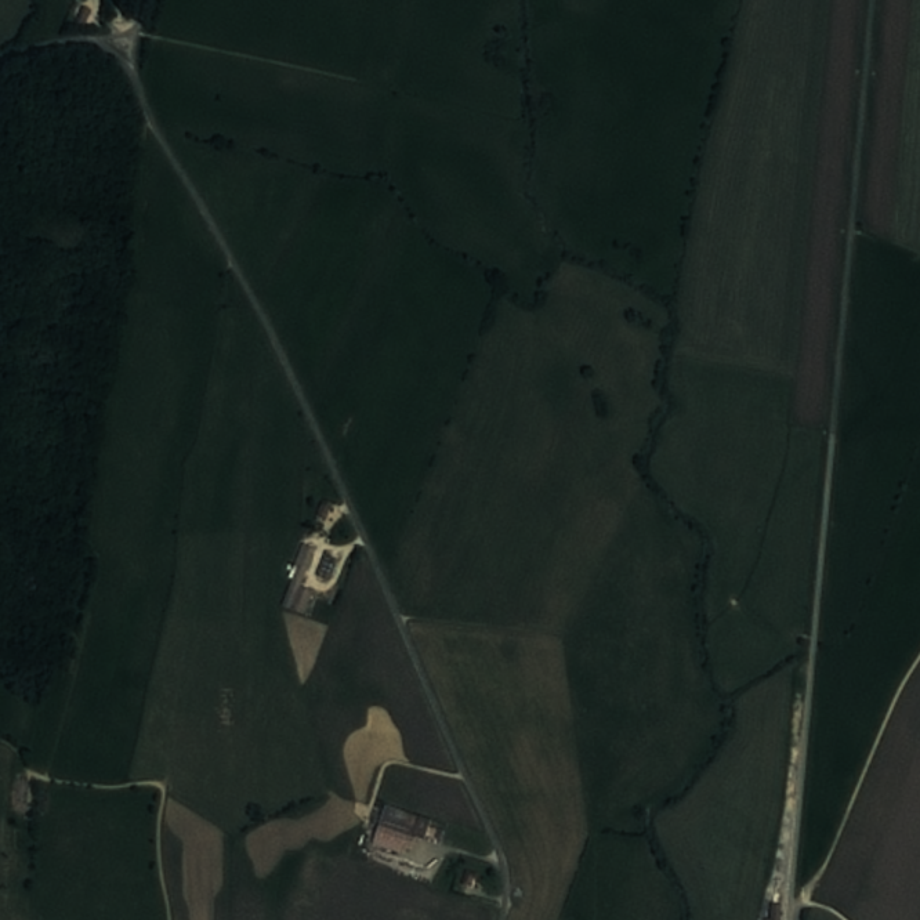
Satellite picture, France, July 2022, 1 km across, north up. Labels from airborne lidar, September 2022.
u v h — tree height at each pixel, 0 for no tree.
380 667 0
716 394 0
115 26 0
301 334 0
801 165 0
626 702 0
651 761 0
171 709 0
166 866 0
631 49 0
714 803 0
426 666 0
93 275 22
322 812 0
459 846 0
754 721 0
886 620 0
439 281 0
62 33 9
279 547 0
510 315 0
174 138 0
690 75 0
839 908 0
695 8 0
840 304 0
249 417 0
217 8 0
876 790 0
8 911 0
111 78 15
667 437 0
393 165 0
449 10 0
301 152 0
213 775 0
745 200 0
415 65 0
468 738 0
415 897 0
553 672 0
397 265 0
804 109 0
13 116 19
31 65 25
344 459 0
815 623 0
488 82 0
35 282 18
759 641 0
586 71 0
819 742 0
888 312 0
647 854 0
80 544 19
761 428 0
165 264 0
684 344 0
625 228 0
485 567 0
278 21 0
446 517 0
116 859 0
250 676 0
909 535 0
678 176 0
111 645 0
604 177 0
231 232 0
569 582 0
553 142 0
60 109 12
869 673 0
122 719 0
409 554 0
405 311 0
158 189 0
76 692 0
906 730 0
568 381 0
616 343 0
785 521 0
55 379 22
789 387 0
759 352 0
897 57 0
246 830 7
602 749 0
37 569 20
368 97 0
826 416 0
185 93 0
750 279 0
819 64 0
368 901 0
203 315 0
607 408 8
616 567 0
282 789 0
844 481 0
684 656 0
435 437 0
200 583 0
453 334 0
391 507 0
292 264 0
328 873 0
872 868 0
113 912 0
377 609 0
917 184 0
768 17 0
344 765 0
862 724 0
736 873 0
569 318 0
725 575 0
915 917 0
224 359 0
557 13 0
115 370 19
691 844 0
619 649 0
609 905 0
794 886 0
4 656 21
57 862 0
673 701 0
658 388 10
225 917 0
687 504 0
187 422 0
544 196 0
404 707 0
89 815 0
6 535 15
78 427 24
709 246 0
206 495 0
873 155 0
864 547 0
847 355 0
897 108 0
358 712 0
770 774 0
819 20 0
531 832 0
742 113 0
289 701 0
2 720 0
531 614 0
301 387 0
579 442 0
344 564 0
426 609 0
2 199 21
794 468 0
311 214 0
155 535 0
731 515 0
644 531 0
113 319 21
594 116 0
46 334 21
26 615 25
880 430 0
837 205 0
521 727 0
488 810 0
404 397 0
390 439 0
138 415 0
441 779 0
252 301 0
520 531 0
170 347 0
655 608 0
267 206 0
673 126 0
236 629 0
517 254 0
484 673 0
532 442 0
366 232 0
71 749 0
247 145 0
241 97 0
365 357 0
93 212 7
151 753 0
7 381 19
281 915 0
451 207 0
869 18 0
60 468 20
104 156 22
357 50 0
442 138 0
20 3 0
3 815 0
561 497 0
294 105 0
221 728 0
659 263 0
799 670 0
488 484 0
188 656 0
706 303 0
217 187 0
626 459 0
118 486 0
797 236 0
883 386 0
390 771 0
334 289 0
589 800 0
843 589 0
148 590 0
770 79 0
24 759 17
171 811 0
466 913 0
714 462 0
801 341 0
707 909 0
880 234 0
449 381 0
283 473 0
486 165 0
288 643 0
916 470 0
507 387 0
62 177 20
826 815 0
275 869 0
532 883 0
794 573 0
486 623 0
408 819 0
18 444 16
